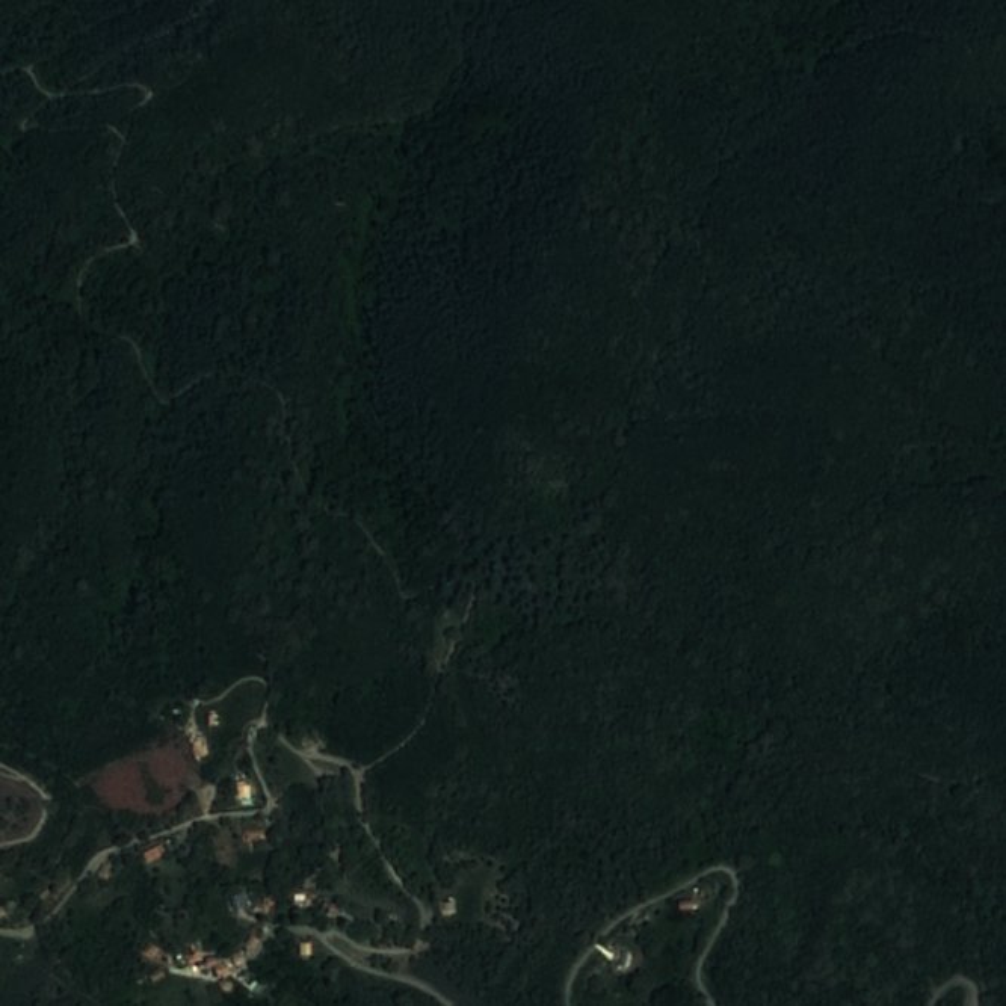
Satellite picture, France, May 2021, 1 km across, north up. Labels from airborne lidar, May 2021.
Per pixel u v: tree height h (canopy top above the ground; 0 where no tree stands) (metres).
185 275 7
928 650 18
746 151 19
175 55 12
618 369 10
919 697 18
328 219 6
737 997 11
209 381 7
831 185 14
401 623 11
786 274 10
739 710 16
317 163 8
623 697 9
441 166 11
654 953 14
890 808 13
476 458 8
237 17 8
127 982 7
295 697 8
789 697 18
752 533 11
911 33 12
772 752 11
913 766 10
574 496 7
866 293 11
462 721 13
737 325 9
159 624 10
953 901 10
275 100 9
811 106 19
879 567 8
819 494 11
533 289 10
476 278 11
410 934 12
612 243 14
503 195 9
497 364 8
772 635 11
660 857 8
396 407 9
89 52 10
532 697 7
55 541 6
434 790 10
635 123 10
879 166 13
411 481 14
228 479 7
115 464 7
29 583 6
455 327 10
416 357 11
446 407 9
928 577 11
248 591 5
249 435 9
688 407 13
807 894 11
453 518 10
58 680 7
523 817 8
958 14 16
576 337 10
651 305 11
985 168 20
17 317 8
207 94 8
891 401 8
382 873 7
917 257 17
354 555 8
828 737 11
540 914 14
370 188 9
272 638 15
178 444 10
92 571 6
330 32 14
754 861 9
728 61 7
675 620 8
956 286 14
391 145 6
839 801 12
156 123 8
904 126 11
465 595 10
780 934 11
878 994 14
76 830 15
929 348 12
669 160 10
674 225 12
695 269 14
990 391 8
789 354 10
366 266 7
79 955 9
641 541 10
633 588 12
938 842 9
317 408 12
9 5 17
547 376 7
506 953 12
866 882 14
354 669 6
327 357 9
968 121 16
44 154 9
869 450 10
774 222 13
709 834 9
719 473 9
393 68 11
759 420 10
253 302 9
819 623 9
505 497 7
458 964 11
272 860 10
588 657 10
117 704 8
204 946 5
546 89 8
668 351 14
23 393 12
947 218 19
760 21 9
